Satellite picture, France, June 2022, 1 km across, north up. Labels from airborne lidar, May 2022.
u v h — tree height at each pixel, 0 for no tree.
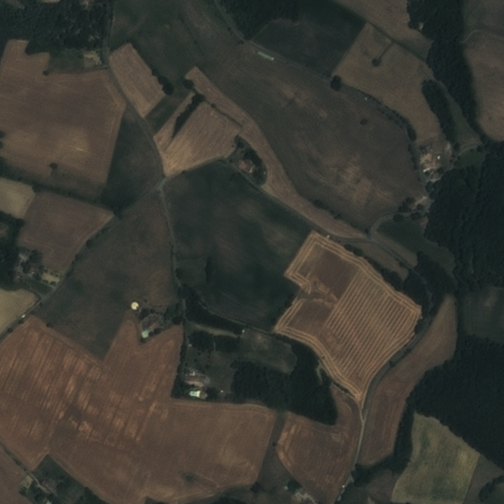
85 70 0
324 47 0
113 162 0
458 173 23
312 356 12
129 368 0
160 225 0
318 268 0
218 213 0
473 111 21
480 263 20
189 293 9
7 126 0
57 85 0
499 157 10
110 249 0
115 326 0
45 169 0
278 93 0
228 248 0
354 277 0
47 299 0
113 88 0
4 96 0
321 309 0
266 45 0
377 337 0
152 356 0
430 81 7
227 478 0
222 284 0
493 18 0
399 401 0
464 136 0
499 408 16
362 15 0
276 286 0
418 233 0
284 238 0
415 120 0
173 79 0
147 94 0
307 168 0
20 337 0
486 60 0
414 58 0
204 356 0
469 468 0
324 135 0
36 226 0
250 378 17
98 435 0
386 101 0
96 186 0
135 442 0
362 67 0
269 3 16
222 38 0
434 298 13
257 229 0
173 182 0
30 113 0
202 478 0
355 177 0
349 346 0
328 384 12
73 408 0
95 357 0
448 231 22
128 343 0
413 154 9
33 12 13
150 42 0
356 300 0
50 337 0
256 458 0
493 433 15
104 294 0
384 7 0
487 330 0
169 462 0
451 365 20
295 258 0
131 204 0
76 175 0
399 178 0
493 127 0
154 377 0
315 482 0
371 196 0
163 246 0
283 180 0
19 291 0
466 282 16
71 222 0
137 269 0
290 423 0
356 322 0
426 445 0
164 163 0
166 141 0
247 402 0
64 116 0
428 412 13
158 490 0
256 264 0
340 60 0
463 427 22
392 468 21
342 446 0
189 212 0
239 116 0
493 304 0
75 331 0
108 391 0
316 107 0
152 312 9
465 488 0
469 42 0
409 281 18
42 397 0
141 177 0
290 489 12
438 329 0
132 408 0
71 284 0
